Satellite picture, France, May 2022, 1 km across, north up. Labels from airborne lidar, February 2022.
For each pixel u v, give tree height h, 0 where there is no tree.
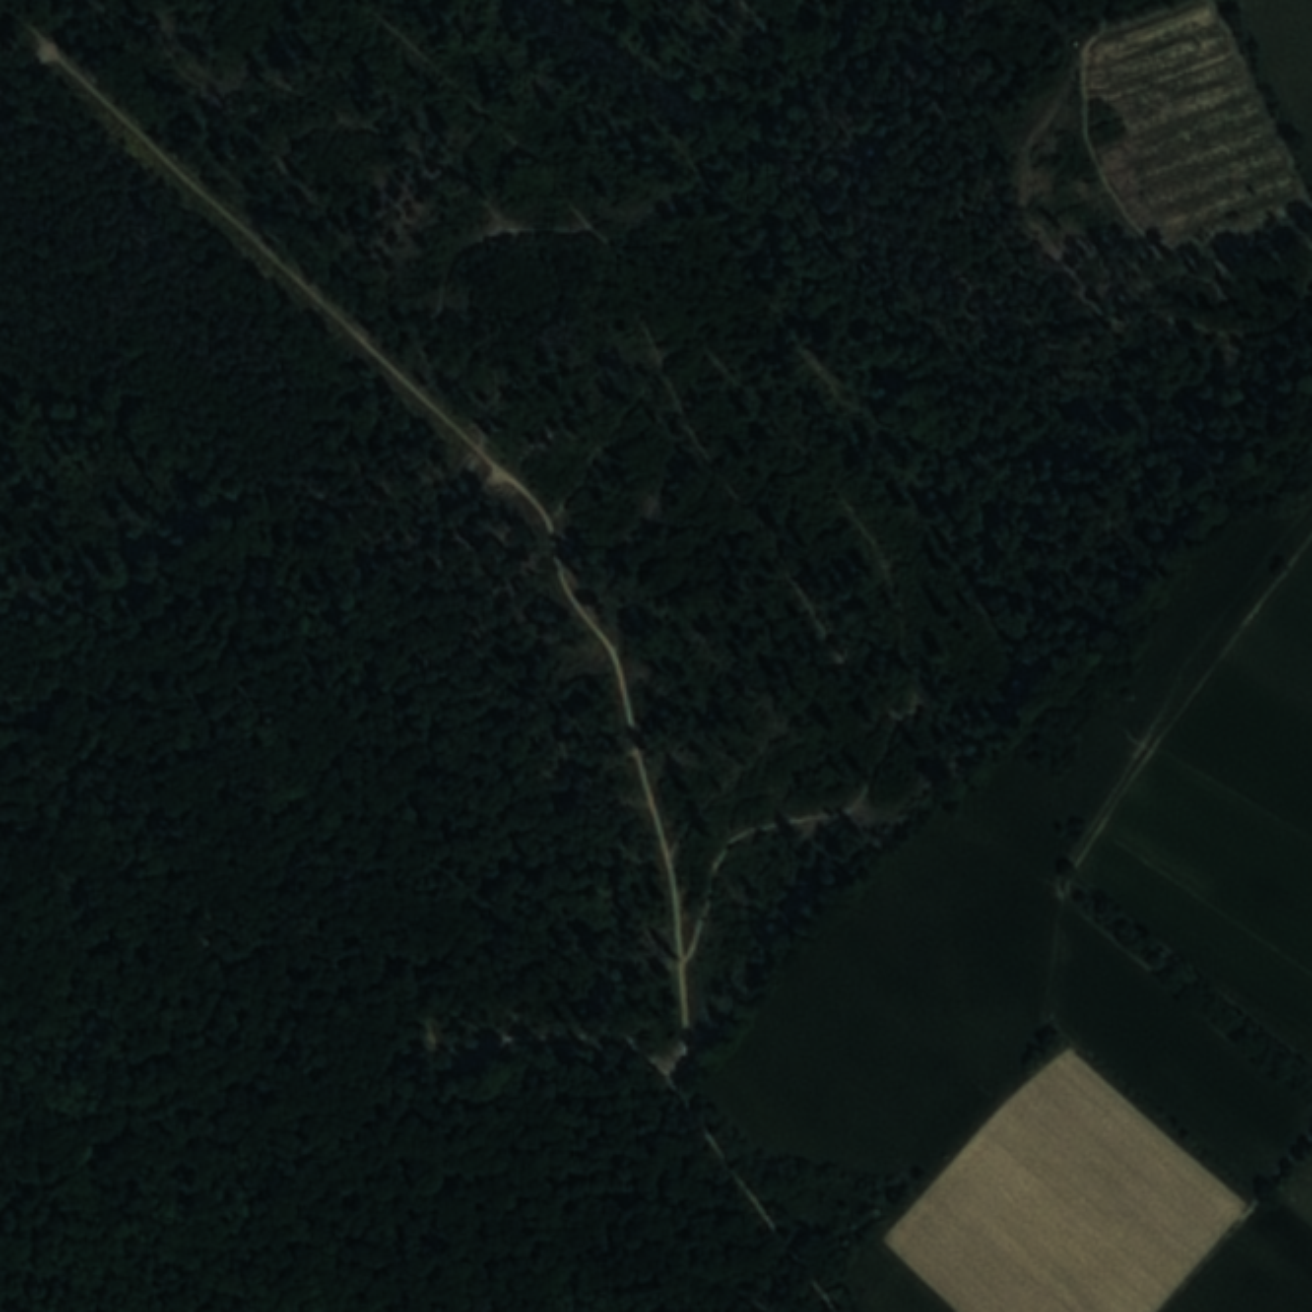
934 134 32
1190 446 30
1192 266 29
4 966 32
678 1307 32
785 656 31
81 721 34
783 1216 15
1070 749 18
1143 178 0
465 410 30
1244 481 24
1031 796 0
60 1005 29
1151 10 0
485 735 37
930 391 35
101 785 32
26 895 36
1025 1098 0
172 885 35
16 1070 33
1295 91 0
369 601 36
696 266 8
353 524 28
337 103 6
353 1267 30
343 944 34
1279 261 34
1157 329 44
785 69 32
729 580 37
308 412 26
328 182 6
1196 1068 0
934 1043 0
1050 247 0
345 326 0
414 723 37
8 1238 24
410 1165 34
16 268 18
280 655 33
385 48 13
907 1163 0
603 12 28
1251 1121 0
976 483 43
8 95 31
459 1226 35
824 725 38
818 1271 24
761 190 38
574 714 36
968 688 8
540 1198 36
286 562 15
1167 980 18
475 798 39
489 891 41
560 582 0
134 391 27
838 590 40
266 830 34
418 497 31
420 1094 36
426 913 37
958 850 0
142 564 34
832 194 33
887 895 0
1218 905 0
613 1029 34
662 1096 22
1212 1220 0
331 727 38
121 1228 29
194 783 37
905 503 39
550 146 10
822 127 34
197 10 33
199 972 36
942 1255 0
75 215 24
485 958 33
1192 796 0
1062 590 35
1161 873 0
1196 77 0
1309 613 0
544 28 31
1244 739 0
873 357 43
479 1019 39
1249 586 0
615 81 30
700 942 0
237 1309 18
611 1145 33
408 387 0
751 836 0
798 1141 0
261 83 29
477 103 41
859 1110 0
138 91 32
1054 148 0
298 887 36
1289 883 0
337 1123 36
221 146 25
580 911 36
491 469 0
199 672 34
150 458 41
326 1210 34
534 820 38
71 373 15
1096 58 0
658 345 12
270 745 38
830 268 30
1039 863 0
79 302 21
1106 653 29
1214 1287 0
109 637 28
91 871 33
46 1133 34
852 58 35
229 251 29
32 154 24
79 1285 25
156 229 33
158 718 37
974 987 0
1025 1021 0
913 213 30
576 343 9
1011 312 29
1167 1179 0
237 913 34
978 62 38
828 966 0
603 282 14
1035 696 39
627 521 8
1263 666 0
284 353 28
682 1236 30
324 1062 37
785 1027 0
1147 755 0
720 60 32
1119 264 30
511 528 35
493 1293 34
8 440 23
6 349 16
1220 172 0
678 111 33
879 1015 0
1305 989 0
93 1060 31
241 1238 28
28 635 28
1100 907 16
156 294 24
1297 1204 0
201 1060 36
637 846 37
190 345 30
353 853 35
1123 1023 0
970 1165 0
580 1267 34
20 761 39
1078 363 27
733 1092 0
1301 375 39
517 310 10
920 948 0
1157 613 16
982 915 0
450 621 35
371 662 36
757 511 13
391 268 27
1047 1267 0
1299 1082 22
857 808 0
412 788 34
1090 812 0
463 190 34
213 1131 34
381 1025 31
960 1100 0
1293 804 0
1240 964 0
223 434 32
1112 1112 0
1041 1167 0
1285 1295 0
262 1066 34
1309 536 0
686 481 36
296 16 34
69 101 28
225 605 33
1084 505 35
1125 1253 0
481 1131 39
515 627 34
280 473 19
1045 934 0
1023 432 39
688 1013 0
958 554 43
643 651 36
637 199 0
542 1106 33
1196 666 0
